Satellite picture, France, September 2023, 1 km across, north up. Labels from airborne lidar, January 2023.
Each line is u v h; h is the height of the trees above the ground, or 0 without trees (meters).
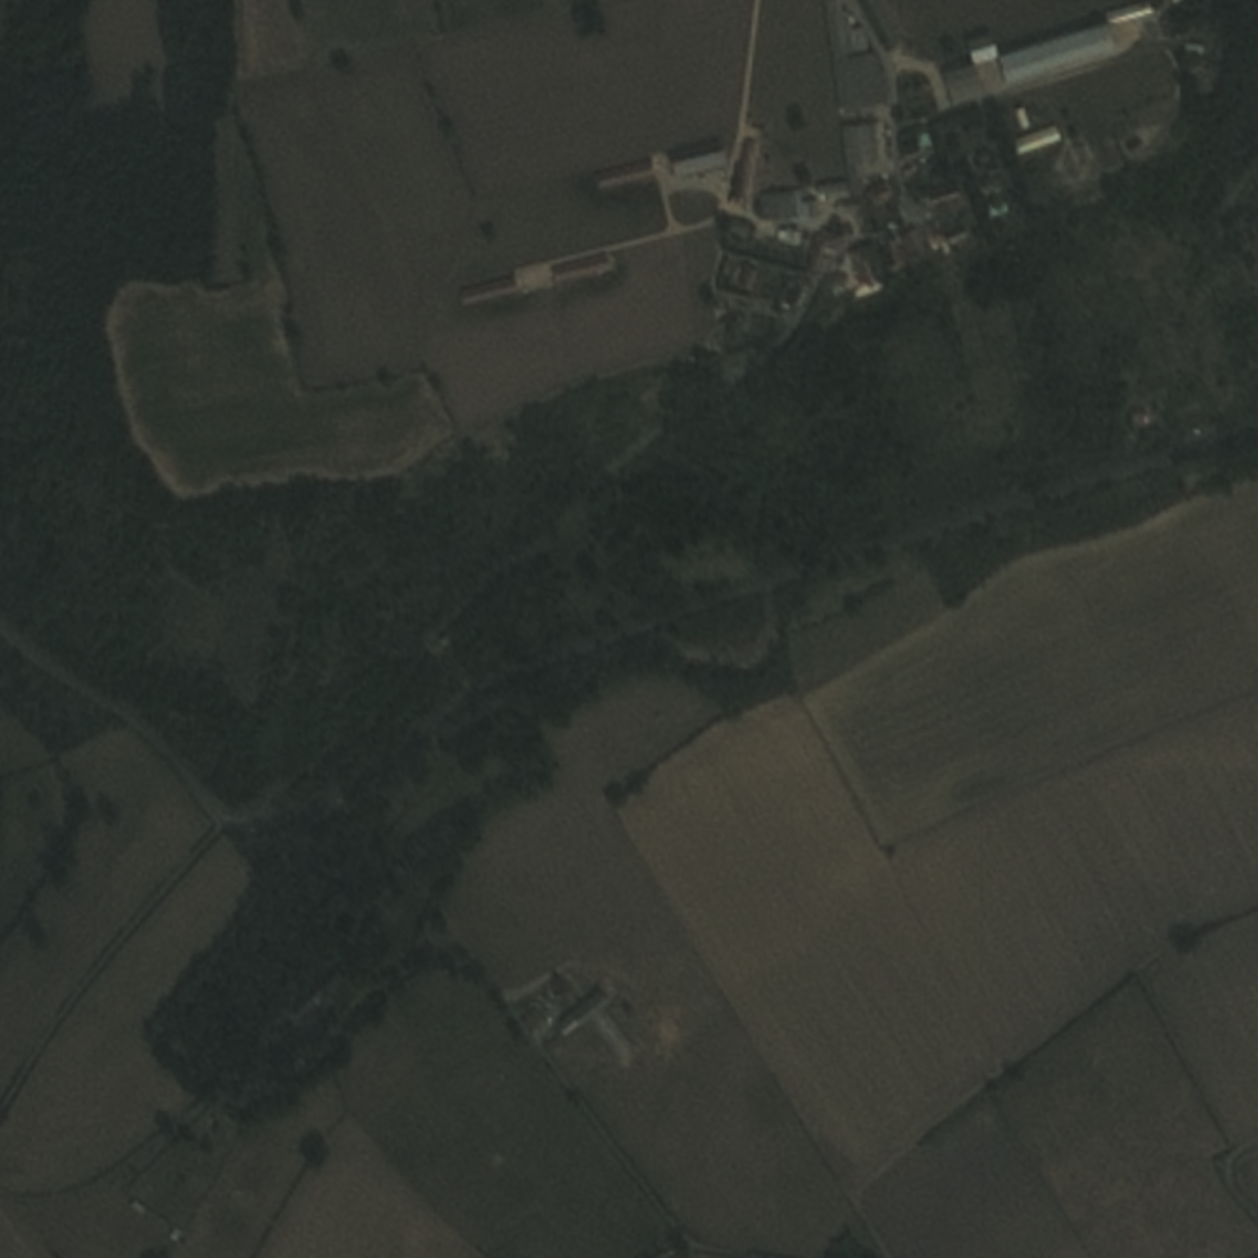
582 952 0
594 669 11
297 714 8
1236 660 0
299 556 6
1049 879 0
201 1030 18
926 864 0
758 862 0
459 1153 0
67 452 6
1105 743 0
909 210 0
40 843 0
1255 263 9
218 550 7
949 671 0
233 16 9
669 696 0
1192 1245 0
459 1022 0
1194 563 0
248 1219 0
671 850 0
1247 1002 0
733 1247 0
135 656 6
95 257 13
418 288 0
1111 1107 0
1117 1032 0
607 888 0
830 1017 0
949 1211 0
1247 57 11
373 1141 0
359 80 0
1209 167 6
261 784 10
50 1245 0
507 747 14
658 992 0
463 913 0
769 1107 0
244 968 17
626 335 0
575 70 0
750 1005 0
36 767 0
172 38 13
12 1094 0
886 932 0
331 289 0
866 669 0
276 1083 17
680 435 12
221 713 10
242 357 0
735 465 9
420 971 14
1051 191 0
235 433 0
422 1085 0
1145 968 0
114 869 0
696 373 10
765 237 0
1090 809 0
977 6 0
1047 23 0
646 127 0
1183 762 0
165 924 0
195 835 0
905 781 0
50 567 9
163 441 0
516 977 0
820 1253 0
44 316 8
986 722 0
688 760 0
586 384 8
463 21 0
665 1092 0
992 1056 0
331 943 24
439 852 24
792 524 13
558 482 6
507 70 0
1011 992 0
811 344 8
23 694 16
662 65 0
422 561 7
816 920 0
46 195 13
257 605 0
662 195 0
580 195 0
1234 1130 0
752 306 0
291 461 0
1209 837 0
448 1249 0
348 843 20
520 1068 0
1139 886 0
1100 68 0
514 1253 0
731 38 0
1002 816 0
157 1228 0
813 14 0
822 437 7
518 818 0
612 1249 0
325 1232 0
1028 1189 0
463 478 14
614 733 0
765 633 0
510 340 0
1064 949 0
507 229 0
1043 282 6
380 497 11
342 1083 0
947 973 0
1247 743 0
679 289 0
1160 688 0
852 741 0
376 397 0
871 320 11
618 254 0
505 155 0
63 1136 0
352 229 0
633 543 8
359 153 0
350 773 9
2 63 5
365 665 9
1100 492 9
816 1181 0
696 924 0
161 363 0
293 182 0
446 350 0
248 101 0
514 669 7
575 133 0
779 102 0
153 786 0
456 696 6
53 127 15
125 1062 0
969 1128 0
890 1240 0
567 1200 0
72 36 10
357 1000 0
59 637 7
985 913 0
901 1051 0
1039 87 0
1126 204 8
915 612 0
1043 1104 0
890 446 14
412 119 0
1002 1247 0
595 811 0
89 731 8
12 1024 0
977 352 0
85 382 9
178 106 12
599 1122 0
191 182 10
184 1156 0
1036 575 0
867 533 6
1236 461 15
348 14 0
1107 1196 0
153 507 9
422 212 0
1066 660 0
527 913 0
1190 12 8
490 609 19
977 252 0
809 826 0
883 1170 0
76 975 0
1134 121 0
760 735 0
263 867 15
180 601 0
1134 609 0
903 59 0
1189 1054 0
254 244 0
